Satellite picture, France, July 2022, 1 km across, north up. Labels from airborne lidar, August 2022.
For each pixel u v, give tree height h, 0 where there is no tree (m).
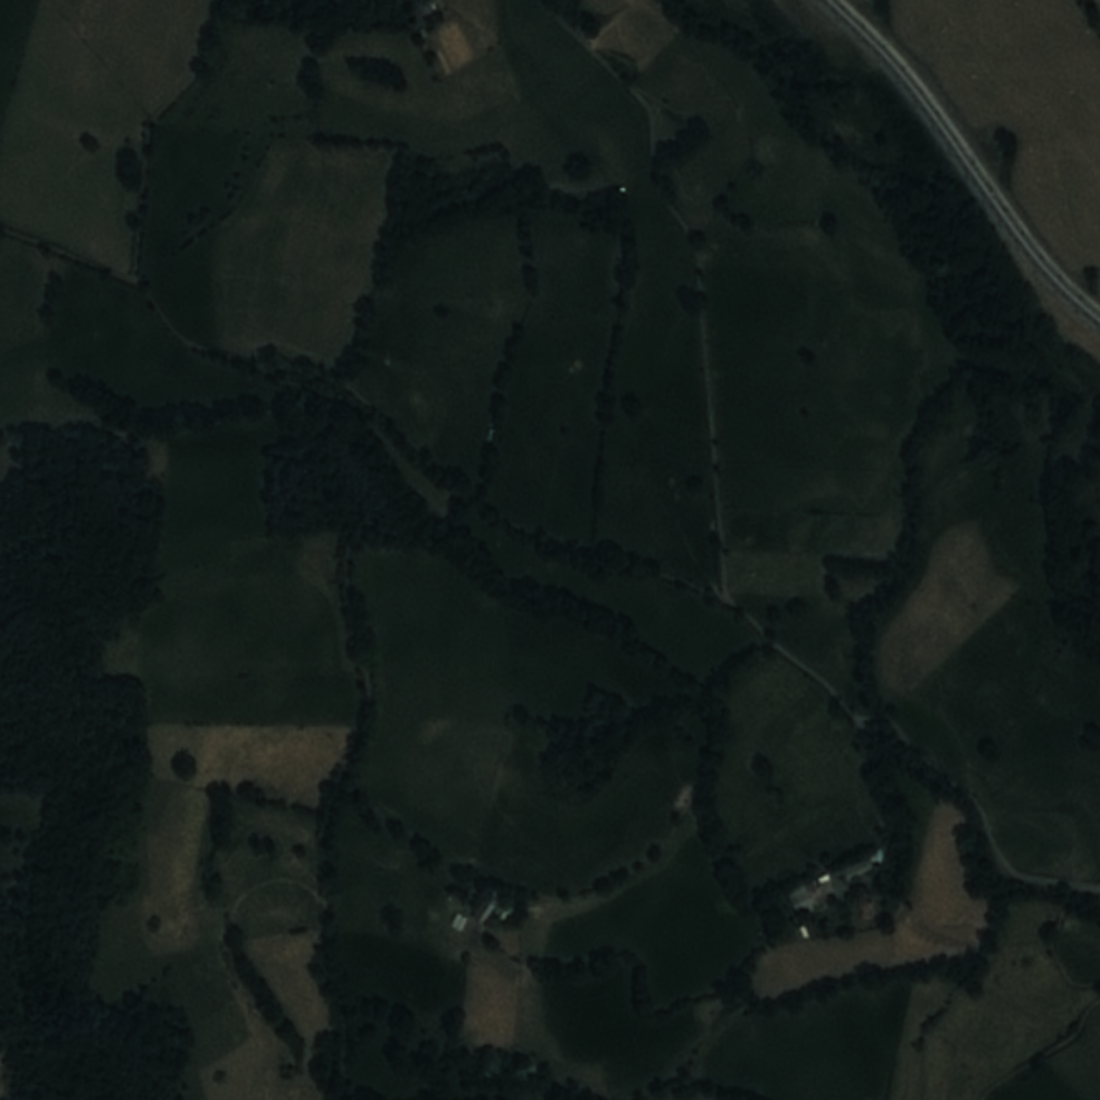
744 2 0
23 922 10
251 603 0
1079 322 0
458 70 0
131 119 0
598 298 0
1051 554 19
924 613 0
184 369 0
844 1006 0
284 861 0
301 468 17
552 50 0
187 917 0
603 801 0
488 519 17
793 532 0
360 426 23
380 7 7
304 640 0
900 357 0
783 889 14
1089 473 20
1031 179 0
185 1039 14
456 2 0
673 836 0
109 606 20
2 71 0
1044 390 18
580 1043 0
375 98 0
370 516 10
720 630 0
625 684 0
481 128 0
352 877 0
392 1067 18
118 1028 26
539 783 0
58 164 0
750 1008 11
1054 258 0
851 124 0
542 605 23
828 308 0
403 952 0
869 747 17
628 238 18
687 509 0
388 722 0
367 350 12
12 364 0
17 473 14
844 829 0
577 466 0
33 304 0
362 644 21
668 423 0
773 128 0
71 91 0
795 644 0
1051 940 12
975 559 0
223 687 0
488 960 0
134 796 12
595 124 0
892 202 24
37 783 20
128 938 0
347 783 16
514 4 0
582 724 14
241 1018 0
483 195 18
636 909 0
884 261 0
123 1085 27
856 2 0
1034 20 0
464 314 0
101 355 0
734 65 0
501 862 0
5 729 16
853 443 0
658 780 0
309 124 0
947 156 0
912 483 12
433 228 20
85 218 0
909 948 0
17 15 0
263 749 0
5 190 0
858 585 0
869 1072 0
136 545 20
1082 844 0
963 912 0
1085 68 0
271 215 0
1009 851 0
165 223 0
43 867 22
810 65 24
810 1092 0
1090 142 0
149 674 0
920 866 0
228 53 0
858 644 14
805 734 0
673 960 0
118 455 22
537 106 0
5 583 24
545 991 0
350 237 0
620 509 0
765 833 0
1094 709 0
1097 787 0
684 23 24
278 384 19
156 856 0
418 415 0
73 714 25
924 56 0
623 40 0
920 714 0
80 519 20
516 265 0
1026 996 0
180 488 0
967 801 14
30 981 25
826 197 0
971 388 16
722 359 0
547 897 0
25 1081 9
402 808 0
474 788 0
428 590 0
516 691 0
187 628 0
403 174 18
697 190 0
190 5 0
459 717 0
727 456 0
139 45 0
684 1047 0
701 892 0
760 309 0
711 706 21
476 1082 9
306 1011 0
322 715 0
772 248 0
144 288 11
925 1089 0
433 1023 0
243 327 0
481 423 0
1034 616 0
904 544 14
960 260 25
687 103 0
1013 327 20
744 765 0
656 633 0
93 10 0
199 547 0
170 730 0
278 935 0
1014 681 0
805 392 0
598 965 19
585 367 0
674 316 0
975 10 0
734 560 0
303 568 0
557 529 0
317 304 0
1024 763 0
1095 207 0
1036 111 0
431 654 0
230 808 17
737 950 0
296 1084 0
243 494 0
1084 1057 0
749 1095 17
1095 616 23
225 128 0
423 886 0
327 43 10
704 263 0
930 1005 0
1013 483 0
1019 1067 0
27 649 21
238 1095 0
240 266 0
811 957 0
